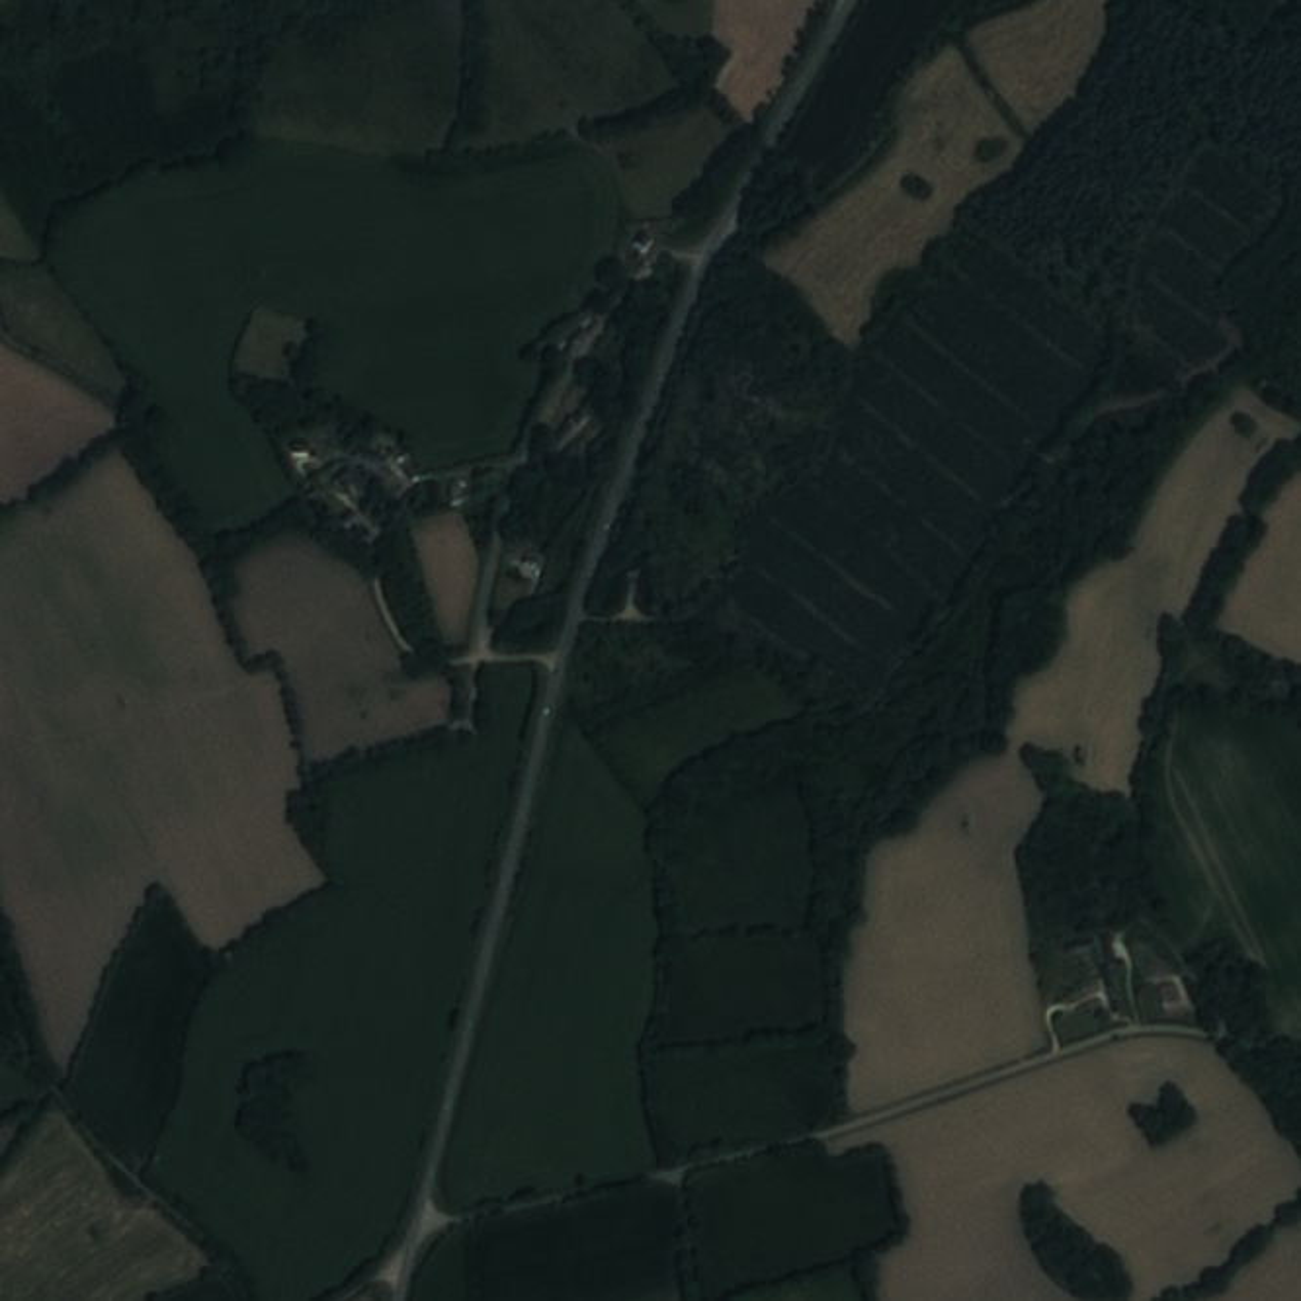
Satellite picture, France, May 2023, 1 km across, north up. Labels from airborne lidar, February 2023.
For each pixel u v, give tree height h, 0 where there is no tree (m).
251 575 0
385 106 0
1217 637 13
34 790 0
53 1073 11
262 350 0
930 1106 0
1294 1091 15
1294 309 16
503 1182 0
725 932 7
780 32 0
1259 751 0
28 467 0
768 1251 0
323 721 0
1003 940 0
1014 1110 0
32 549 0
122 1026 0
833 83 0
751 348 11
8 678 0
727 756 15
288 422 13
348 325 0
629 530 11
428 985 0
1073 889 7
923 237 0
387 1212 0
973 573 16
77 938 0
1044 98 0
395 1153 0
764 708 0
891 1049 0
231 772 0
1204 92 24
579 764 0
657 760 0
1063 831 14
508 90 0
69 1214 0
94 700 0
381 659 0
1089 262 27
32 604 0
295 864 0
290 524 12
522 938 0
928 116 0
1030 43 0
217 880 0
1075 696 0
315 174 0
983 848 0
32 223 0
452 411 0
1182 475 0
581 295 0
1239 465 0
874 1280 12
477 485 10
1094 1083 0
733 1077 0
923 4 0
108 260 0
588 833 0
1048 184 21
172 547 0
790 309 14
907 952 0
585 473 15
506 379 0
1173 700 15
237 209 0
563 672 0
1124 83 24
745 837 0
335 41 10
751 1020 0
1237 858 0
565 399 0
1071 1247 11
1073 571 15
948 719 7
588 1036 0
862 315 0
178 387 0
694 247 0
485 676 12
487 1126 0
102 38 7
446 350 0
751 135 18
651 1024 9
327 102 0
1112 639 0
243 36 12
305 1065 8
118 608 0
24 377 0
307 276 0
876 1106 0
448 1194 0
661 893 13
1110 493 20
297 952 0
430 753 11
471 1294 0
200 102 0
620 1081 0
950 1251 0
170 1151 0
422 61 0
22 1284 0
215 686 0
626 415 15
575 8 0
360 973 0
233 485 0
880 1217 0
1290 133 24
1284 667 9
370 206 0
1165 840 0
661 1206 0
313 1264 0
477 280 0
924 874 0
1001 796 0
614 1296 0
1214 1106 0
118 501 0
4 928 15
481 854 0
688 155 0
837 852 10
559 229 0
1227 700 12
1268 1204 0
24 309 0
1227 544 14
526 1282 0
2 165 0
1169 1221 0
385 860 0
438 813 0
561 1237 0
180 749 0
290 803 12
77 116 0
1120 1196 0
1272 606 0
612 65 0
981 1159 0
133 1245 0
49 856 0
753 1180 0
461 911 0
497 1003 0
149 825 0
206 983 5
